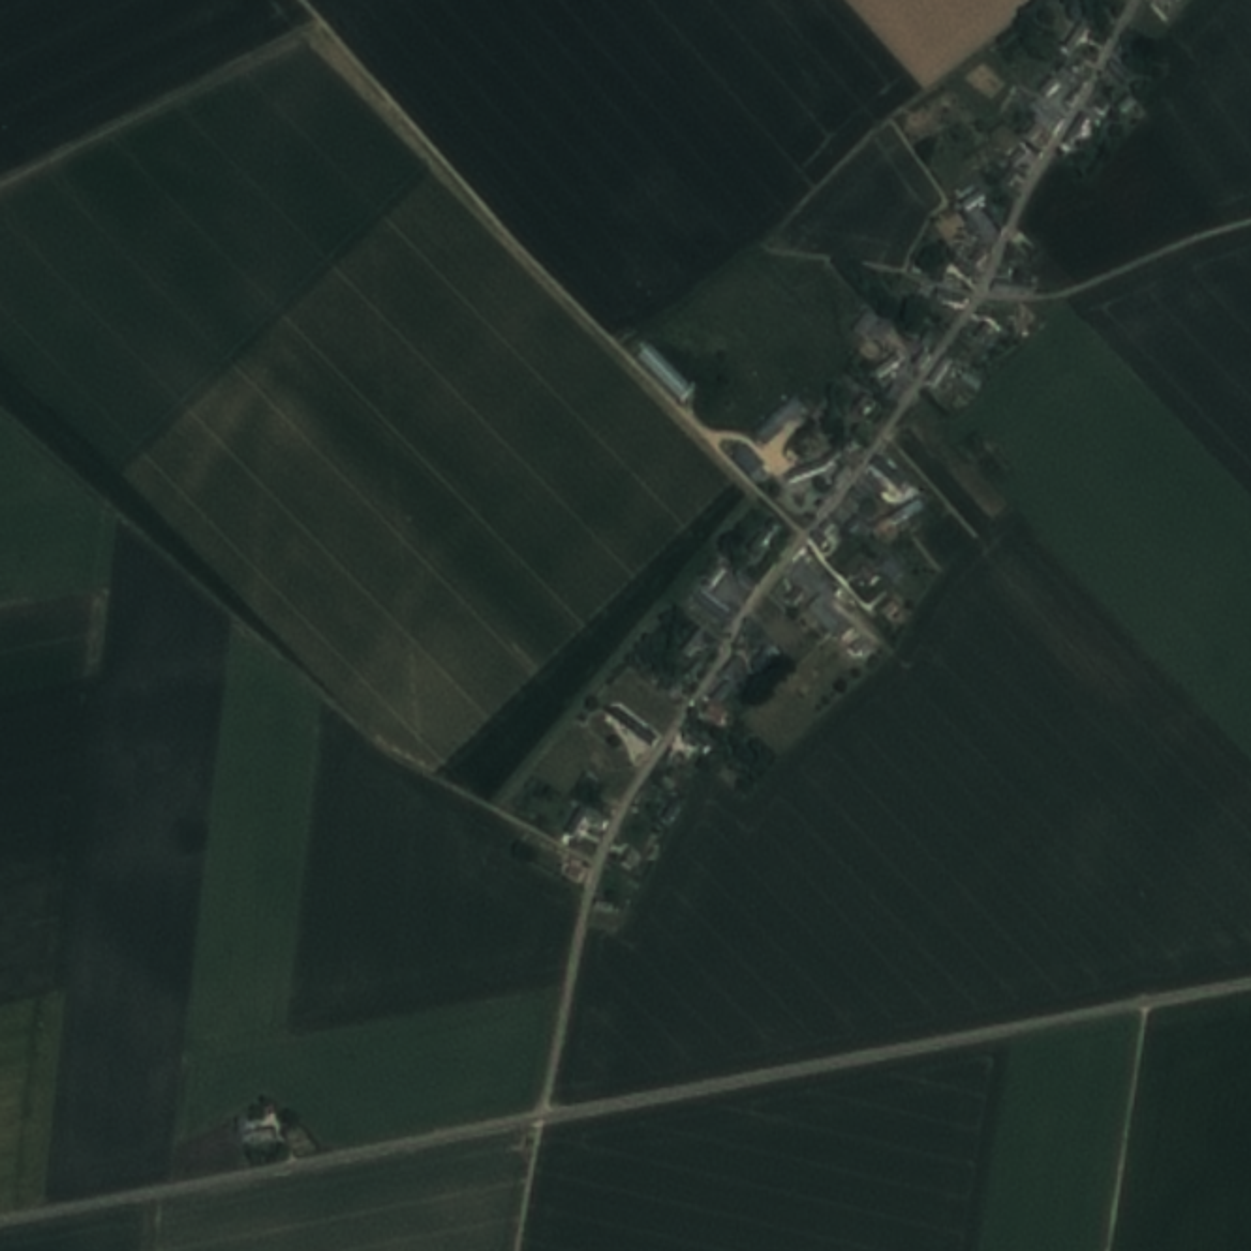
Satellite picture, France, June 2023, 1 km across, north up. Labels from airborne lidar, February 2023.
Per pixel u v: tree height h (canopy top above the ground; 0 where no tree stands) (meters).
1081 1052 0
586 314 0
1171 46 0
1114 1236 0
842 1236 0
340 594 0
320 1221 0
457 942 0
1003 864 0
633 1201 0
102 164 0
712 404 0
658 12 0
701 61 0
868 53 0
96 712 0
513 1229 0
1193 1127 0
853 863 0
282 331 0
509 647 0
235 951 0
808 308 0
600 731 0
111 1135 0
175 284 0
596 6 0
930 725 0
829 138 0
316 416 0
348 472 0
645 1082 0
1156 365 0
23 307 0
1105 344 0
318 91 0
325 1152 0
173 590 0
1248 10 0
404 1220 0
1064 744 0
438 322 0
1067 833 0
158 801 0
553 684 0
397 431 0
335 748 0
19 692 0
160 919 0
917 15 0
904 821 0
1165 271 0
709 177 0
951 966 0
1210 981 0
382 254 0
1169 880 0
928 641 0
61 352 0
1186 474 0
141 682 0
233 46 0
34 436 0
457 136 0
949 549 0
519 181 0
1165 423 0
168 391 0
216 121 0
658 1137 0
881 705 0
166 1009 0
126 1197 0
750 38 0
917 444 0
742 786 8
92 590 0
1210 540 0
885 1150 0
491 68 0
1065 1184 0
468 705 0
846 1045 0
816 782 0
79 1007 0
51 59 0
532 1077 0
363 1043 0
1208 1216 0
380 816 0
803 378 0
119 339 0
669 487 0
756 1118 0
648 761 0
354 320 0
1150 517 0
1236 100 0
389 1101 0
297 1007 0
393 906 0
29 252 0
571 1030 0
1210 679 0
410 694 0
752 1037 0
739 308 0
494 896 0
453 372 0
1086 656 0
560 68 0
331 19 0
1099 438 0
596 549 0
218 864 0
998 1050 0
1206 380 0
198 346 0
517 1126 0
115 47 0
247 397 0
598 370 0
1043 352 0
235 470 0
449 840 0
